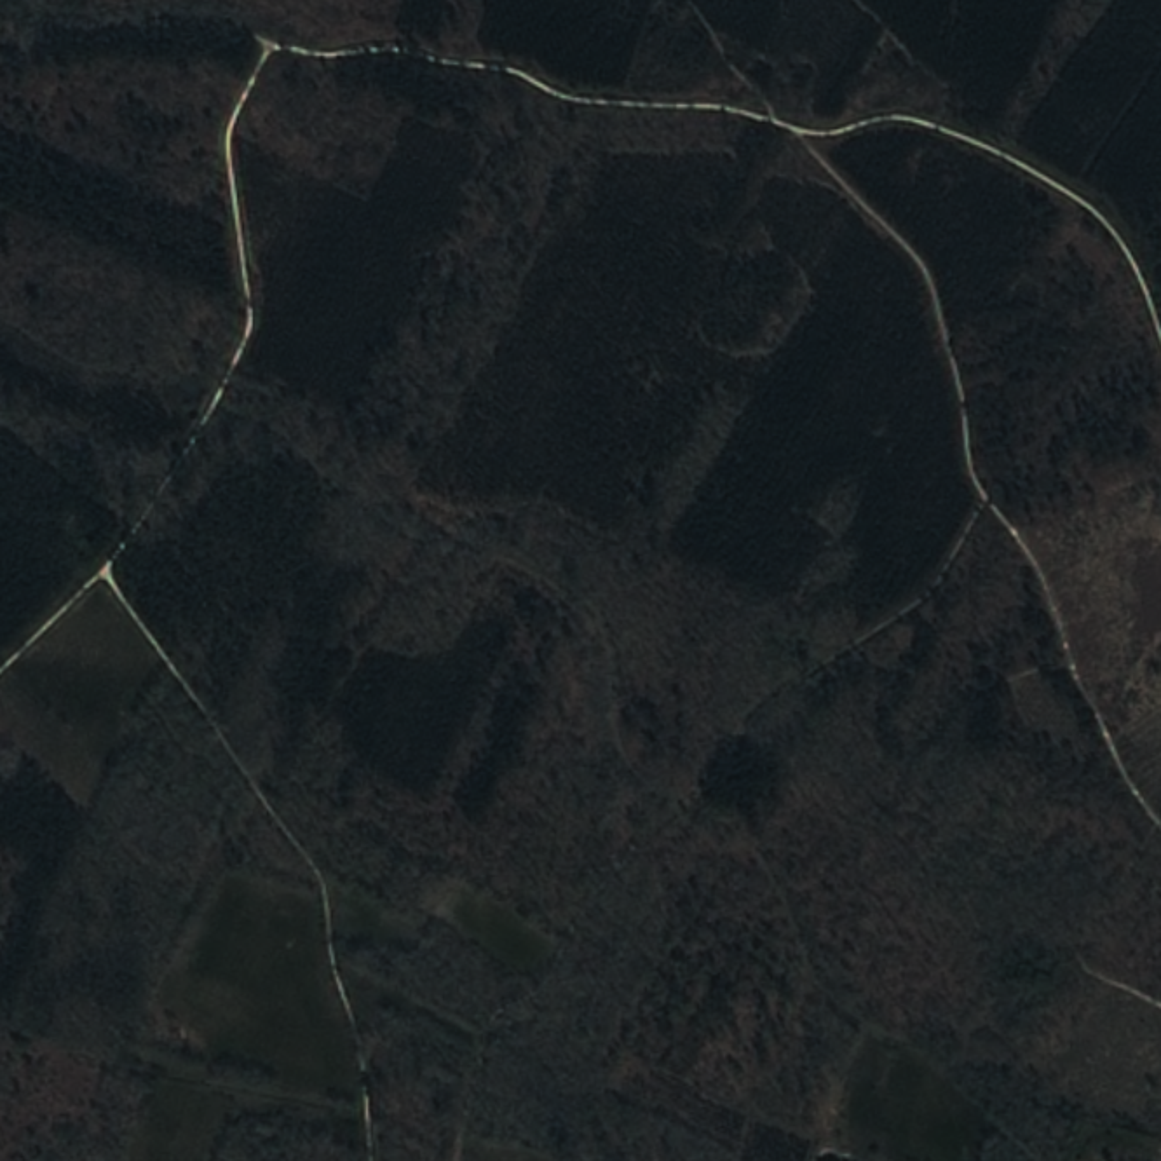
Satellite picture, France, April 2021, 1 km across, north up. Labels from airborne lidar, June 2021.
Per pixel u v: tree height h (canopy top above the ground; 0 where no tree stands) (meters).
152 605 18
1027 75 10
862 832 10
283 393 12
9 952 13
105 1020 14
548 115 11
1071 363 7
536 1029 14
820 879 11
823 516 12
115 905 19
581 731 12
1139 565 0
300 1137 16
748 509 8
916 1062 0
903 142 8
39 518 17
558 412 7
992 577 10
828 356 9
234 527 18
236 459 22
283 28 17
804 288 12
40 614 19
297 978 0
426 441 13
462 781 8
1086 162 6
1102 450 22
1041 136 8
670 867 19
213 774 18
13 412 20
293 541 20
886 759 15
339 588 17
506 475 6
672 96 12
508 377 8
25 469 17
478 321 9
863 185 8
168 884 18
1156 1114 11
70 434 15
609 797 18
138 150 8
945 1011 16
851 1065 16
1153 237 11
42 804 19
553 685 13
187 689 15
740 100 16
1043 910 17
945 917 18
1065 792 13
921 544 8
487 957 9
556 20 9
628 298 8
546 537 14
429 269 13
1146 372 10
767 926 10
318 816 15
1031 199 8
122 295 15
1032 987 14
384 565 12
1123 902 14
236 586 18
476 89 9
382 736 6
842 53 9
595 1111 19
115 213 20
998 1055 13
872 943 10
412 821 9
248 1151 13
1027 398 7
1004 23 10
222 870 11
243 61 21
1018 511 20
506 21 9
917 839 11
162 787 24
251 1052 0
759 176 16
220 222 18
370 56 11
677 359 7
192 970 0
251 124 12
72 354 14
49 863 18
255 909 0
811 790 17
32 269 6
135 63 11
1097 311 12
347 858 14
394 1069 15
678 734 12
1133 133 9
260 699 14
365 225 6
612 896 20
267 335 6
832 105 11
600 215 9
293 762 13
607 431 8
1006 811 17
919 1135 0
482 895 18
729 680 17
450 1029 13
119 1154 20
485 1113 13
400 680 6
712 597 10
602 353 8
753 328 15
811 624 19
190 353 16
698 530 8
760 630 19
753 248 9
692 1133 16
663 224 7
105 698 0
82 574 13
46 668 0
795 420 8
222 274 20
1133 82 7
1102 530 7
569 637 16
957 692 12
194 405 9
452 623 17
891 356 7
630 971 18
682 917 20
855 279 6
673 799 18
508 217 9
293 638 10
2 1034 13
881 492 7
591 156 14
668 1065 9
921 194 8
